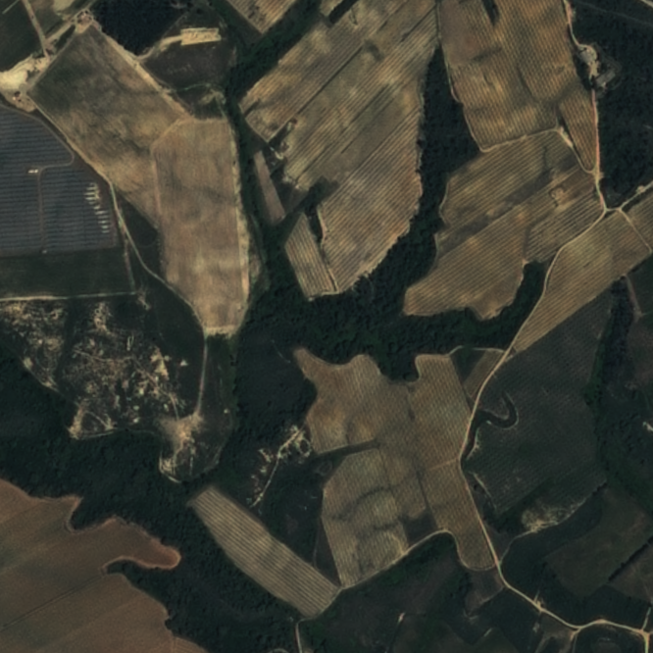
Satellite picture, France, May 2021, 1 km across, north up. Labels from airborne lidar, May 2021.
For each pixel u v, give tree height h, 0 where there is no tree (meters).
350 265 0
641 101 22
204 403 0
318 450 0
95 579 0
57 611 0
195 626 5
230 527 0
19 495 0
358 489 0
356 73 0
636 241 0
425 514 0
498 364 0
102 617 0
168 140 0
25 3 0
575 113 0
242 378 7
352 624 0
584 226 0
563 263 0
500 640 0
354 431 0
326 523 0
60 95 0
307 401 8
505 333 7
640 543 0
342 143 0
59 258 0
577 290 0
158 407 0
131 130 0
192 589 9
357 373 0
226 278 0
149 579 5
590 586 0
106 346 0
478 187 0
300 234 0
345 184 0
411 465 0
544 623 0
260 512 0
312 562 0
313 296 0
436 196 10
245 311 0
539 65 0
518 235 0
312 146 0
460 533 0
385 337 5
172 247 0
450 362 0
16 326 0
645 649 0
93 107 0
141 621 0
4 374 13
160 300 0
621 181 17
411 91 0
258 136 0
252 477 0
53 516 0
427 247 7
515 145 0
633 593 0
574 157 0
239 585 13
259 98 0
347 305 14
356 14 0
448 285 0
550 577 6
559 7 0
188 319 0
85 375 0
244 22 0
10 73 0
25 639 0
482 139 0
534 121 0
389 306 12
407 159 0
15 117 0
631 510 0
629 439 7
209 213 0
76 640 0
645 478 0
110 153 0
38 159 0
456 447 0
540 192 0
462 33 0
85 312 0
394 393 0
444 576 0
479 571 0
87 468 7
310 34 0
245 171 7
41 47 0
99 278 0
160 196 0
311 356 0
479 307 0
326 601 0
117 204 0
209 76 0
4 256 0
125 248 0
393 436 0
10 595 0
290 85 0
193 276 0
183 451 0
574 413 0
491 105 0
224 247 0
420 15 0
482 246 0
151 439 6
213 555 11
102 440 9
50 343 0
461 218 0
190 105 0
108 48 0
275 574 0
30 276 0
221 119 0
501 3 0
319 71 0
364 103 0
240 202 0
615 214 0
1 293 0
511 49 0
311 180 0
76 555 0
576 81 0
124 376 0
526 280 6
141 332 0
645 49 20
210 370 0
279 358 0
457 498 0
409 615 0
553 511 0
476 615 0
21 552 0
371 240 0
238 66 6
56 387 0
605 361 6
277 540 0
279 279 8
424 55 0
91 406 0
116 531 0
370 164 0
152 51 0
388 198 0
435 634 0
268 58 8
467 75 0
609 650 0
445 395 0
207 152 0
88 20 0
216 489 0
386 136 0
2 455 5
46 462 8
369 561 0
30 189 0
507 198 0
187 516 12
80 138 0
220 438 0
